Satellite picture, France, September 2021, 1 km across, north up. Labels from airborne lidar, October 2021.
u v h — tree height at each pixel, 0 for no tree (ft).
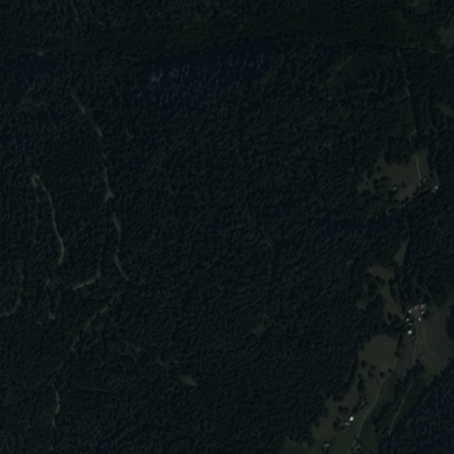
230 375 90
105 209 20
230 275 73
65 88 104
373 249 65
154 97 25
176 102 99
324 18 40
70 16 103
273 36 42
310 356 78
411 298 106
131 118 54
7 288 97
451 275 33
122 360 59
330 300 35
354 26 50
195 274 92
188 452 66
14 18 61
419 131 91
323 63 87
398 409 28
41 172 33
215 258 67
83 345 54
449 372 65
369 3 62
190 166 103
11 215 64
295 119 22
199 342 87
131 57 28
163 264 41
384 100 101
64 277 104
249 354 81
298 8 25
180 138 99
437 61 43
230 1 85
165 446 83
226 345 94
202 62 22
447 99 66
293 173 28
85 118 32
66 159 45
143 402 65
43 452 37
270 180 60
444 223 24
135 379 78
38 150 29
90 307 57
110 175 35
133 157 27
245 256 72
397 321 57
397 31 68
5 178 90
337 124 51
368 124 68
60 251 29
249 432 86
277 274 58
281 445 20
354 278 77
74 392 52
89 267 67
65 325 94
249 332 55
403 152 82
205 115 74
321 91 45
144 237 43
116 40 34
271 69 113
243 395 71
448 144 93
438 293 76
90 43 39
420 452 40
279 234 46
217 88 22
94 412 52
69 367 52
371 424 0
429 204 25
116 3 39
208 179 54
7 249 54
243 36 47
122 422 92
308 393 77
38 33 38
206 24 24
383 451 80
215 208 79
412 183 0
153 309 82
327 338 79
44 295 117
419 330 0
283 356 89
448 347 0
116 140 26
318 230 92
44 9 82
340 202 68
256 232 27
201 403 54
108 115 36
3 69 39
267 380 94
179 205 34
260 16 68
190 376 46
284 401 40
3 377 23
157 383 68
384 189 59
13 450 38
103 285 21
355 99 69
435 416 121
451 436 49
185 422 83
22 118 29
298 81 24
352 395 0
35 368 59
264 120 67
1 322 63
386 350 0
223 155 107
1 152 99
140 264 34
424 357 0
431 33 74
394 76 61
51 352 55
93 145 49
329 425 0
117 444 86
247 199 54
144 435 87
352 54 66
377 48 54
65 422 26
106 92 29
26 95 106
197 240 60
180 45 42
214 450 55
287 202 44
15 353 45
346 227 23
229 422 48
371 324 87
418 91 64
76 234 46
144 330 97
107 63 39
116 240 26
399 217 33
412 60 54
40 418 41
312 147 76
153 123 65
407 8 27
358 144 81
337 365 80
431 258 78
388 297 0
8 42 32
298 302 76
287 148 37
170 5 106
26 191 40
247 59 21
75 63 47
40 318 71
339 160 74
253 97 91
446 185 82
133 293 98
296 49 66
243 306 90
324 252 113
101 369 28
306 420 53
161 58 41
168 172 85
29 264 86
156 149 102
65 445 47
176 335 48
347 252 30
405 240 67
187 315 64
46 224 86
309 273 84
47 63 27
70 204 43
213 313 81
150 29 54
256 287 112
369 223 31
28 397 21
